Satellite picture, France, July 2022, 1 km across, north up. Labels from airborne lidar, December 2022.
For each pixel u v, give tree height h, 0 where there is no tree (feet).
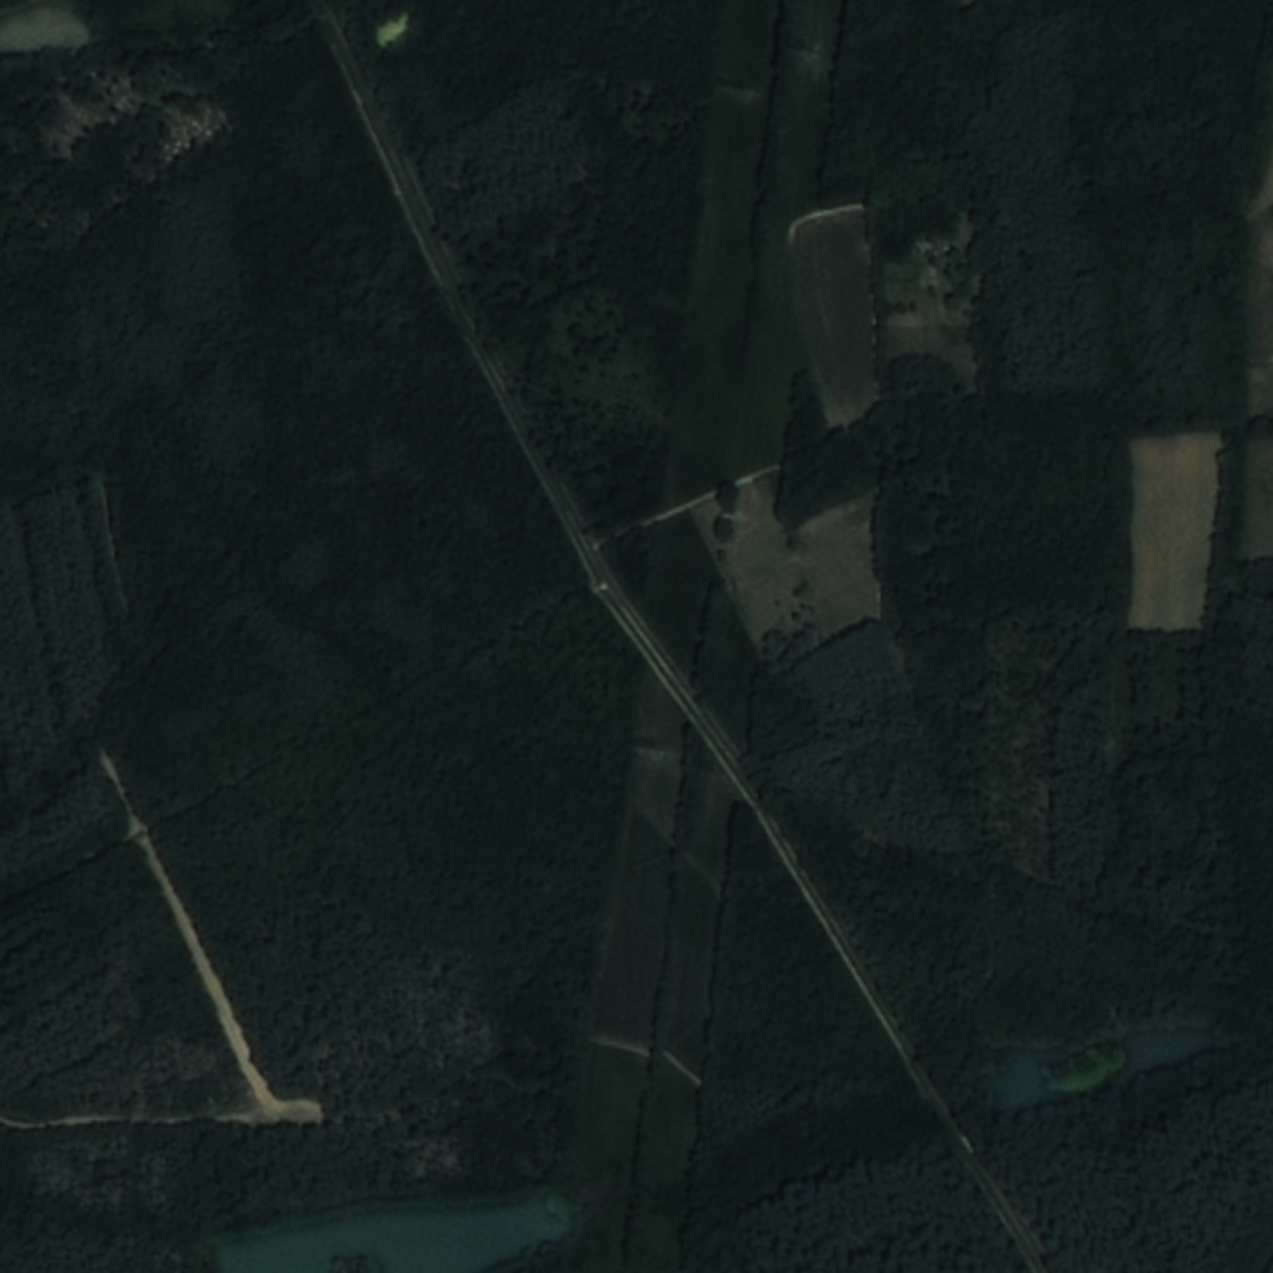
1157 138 70
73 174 61
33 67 77
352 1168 56
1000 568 54
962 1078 56
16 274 51
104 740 53
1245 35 45
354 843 55
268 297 50
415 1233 0
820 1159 35
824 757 71
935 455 79
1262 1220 40
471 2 56
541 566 61
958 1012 48
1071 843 75
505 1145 67
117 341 45
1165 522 0
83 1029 76
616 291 53
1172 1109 52
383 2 63
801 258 0
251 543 51
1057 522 65
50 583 69
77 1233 71
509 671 64
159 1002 51
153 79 65
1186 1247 53
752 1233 57
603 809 48
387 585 70
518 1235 0
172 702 64
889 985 52
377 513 74
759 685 46
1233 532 38
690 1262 47
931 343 0
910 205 27
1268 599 47
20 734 46
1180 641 38
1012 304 71
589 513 20
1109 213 52
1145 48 54
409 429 63
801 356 0
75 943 72
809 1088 67
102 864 55
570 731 68
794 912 62
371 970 69
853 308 0
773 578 0
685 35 47
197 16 0
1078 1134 83
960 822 62
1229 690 71
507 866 52
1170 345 61
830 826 70
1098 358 85
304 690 70
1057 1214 75
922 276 0
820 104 0
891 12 66
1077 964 63
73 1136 50
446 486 66
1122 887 81
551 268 35
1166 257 72
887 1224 91
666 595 0
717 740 0
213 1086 67
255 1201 82
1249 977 70
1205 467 0
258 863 38
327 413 54
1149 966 63
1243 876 43
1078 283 69
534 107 82
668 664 0
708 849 0
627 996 0
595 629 55
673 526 0
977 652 37
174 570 73
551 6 51
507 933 58
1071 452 60
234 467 73
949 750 52
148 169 53
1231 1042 44
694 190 49
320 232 40
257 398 53
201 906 53
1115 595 62
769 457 0
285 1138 71
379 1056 57
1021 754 36
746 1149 56
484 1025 54
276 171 52
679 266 50
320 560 74
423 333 60
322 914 44
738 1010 56
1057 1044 40
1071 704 62
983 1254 95
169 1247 58
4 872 61
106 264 70
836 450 54
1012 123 80
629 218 42
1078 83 60
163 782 47
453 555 73
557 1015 70
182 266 72
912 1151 70
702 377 0
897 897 72
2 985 60
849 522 0
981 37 54
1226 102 63
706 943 0
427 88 58
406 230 49
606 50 56
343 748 43
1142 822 58
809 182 0
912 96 62
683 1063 0
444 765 45
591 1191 0
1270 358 0
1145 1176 77
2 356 70
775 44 0
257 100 44
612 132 57
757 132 0
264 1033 51
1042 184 70
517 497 52
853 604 0
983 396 38
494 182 76
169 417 80
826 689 74
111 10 63
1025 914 67
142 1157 39
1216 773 62
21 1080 65
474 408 66
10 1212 64
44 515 50
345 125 39
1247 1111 87
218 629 71
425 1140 84
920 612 55
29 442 70
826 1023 52
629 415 54
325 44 48
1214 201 89
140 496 44
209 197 58
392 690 58
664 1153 0
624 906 0
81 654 63
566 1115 56
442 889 54
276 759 45
